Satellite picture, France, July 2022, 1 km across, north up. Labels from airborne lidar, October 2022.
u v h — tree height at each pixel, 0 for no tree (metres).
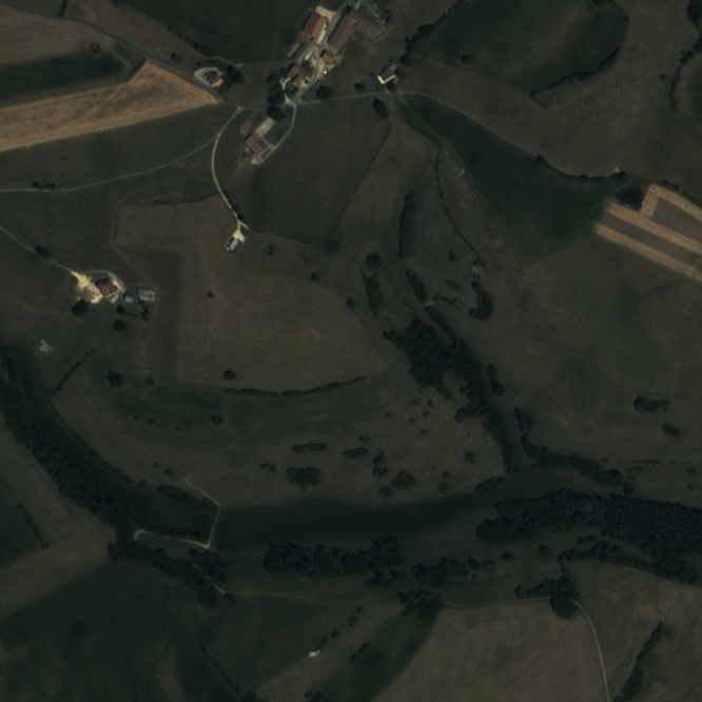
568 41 0
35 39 0
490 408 8
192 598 0
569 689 0
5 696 0
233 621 0
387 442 0
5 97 0
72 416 0
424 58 0
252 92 0
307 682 0
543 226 0
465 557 0
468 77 0
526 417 18
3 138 0
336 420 0
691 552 0
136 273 0
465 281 0
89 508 6
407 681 0
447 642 0
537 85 0
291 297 0
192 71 0
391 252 0
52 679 0
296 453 8
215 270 0
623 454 0
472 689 0
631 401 0
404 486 6
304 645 0
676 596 0
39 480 0
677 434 8
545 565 0
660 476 0
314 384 0
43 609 0
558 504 16
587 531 0
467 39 0
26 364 0
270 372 0
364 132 0
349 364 0
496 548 0
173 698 0
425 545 0
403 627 0
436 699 0
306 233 0
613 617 0
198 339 0
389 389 0
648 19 0
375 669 0
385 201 0
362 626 0
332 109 0
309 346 0
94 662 0
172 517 0
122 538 8
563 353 0
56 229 0
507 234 0
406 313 0
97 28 0
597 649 0
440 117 0
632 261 0
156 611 0
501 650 0
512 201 0
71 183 0
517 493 0
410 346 7
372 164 0
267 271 0
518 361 0
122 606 0
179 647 0
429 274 0
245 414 0
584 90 0
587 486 0
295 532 0
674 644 0
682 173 0
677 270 0
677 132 0
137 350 0
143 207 0
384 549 27
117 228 0
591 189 0
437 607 7
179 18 0
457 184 0
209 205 0
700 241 0
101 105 0
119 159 0
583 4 0
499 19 0
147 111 0
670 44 0
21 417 9
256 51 0
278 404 0
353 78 0
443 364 10
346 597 0
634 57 0
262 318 0
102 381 0
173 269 0
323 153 0
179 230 0
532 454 8
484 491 6
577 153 0
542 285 0
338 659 0
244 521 0
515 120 0
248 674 0
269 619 0
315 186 0
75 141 0
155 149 0
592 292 0
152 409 0
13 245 0
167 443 0
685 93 0
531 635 0
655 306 0
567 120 0
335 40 0
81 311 16
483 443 0
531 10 0
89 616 0
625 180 13
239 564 0
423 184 0
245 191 0
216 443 0
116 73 0
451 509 0
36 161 0
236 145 0
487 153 0
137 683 0
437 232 0
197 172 0
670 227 0
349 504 0
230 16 0
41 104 0
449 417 0
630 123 0
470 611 0
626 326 0
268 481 0
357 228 0
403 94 0
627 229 0
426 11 0
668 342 0
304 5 0
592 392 0
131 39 0
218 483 0
